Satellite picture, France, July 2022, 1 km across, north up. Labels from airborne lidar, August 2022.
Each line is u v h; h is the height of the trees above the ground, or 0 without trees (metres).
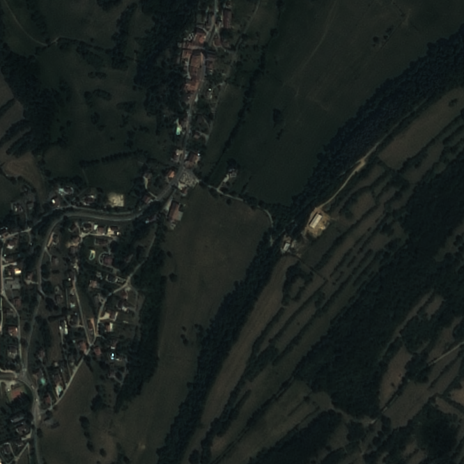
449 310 11
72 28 0
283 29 0
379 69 0
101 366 13
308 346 0
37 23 9
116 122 0
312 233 0
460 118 6
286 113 0
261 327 0
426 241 16
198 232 0
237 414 13
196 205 0
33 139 10
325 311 8
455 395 0
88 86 0
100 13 0
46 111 15
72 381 0
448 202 15
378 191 0
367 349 20
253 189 0
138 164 0
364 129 18
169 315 0
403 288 12
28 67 7
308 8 0
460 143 6
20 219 8
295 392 0
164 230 9
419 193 10
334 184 7
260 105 0
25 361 0
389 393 0
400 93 23
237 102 0
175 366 0
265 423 0
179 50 10
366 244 7
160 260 14
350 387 8
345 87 0
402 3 0
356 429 15
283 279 0
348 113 0
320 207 0
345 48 0
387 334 11
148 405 0
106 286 7
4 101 0
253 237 0
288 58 0
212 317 0
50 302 16
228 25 0
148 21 0
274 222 7
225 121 0
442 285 16
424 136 0
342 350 21
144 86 17
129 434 0
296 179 0
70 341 11
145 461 0
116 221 0
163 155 0
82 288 7
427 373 11
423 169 0
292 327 0
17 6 0
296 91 0
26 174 0
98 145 0
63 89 13
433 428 8
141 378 15
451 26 0
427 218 19
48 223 19
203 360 14
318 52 0
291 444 22
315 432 23
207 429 0
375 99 11
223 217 0
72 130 0
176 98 14
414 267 9
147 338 10
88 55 9
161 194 0
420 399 0
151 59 10
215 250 0
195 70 0
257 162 0
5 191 0
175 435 21
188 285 0
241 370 0
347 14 0
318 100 0
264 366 11
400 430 12
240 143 0
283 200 0
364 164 0
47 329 8
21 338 0
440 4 0
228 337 16
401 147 0
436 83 16
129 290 0
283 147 0
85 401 0
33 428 8
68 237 0
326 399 0
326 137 0
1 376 0
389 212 8
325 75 0
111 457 0
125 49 9
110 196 0
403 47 0
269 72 6
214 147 0
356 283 7
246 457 0
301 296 7
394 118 16
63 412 0
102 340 8
